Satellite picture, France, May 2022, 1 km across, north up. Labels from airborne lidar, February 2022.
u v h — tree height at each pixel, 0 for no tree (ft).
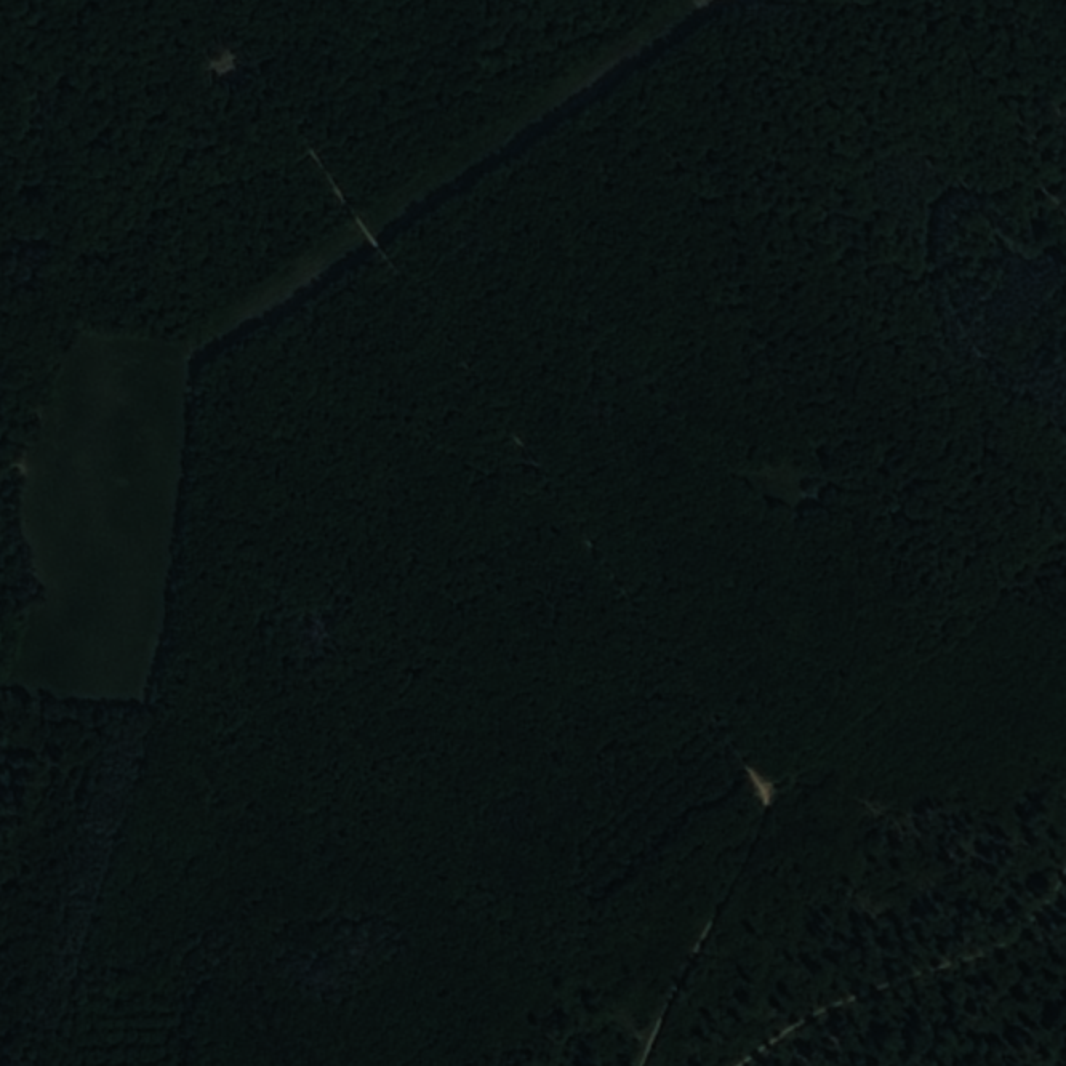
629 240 77
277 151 73
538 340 74
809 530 69
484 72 70
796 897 19
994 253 99
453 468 61
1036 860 18
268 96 92
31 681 0
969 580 82
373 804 67
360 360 67
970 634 54
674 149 77
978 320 92
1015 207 105
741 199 95
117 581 0
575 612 74
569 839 55
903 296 92
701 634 61
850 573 64
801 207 112
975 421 93
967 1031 18
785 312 97
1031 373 108
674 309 69
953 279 112
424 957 70
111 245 81
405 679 60
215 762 68
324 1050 62
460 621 65
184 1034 57
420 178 0
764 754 61
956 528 90
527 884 69
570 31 91
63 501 0
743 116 86
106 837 60
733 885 38
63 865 49
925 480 92
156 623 0
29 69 83
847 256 94
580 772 59
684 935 30
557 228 75
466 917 57
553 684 62
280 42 85
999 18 93
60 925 61
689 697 69
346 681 68
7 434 86
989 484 94
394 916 61
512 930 49
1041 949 19
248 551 67
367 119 93
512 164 67
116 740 64
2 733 52
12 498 73
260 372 71
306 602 82
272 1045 64
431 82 88
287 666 73
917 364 92
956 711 53
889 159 91
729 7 65
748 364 86
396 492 69
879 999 109
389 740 70
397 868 60
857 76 101
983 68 92
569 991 23
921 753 58
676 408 73
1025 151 107
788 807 23
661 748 63
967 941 110
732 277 65
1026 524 86
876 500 88
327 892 68
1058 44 100
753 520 61
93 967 66
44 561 0
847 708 61
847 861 52
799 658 54
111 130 82
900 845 70
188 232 80
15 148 86
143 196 87
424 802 61
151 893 52
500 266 78
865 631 66
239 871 55
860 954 114
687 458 68
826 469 70
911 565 95
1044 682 55
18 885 26
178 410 0
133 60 98
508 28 88
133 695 0
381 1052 63
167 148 102
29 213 98
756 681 67
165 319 59
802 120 105
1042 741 54
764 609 56
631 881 59
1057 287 39
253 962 74
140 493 0
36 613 0
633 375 67
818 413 79
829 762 49
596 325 81
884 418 87
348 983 71
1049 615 59
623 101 84
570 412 70
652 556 64
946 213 93
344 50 100
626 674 65
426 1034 53
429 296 63
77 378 0
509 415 61
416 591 60
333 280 61
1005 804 24
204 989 58
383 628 66
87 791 51
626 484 67
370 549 69
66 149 91
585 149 83
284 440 53
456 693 56
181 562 54
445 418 74
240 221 67
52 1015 61
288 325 74
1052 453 93
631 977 114
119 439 0
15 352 84
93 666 0
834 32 89
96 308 78
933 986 25
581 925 54
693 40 81
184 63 83
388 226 0
